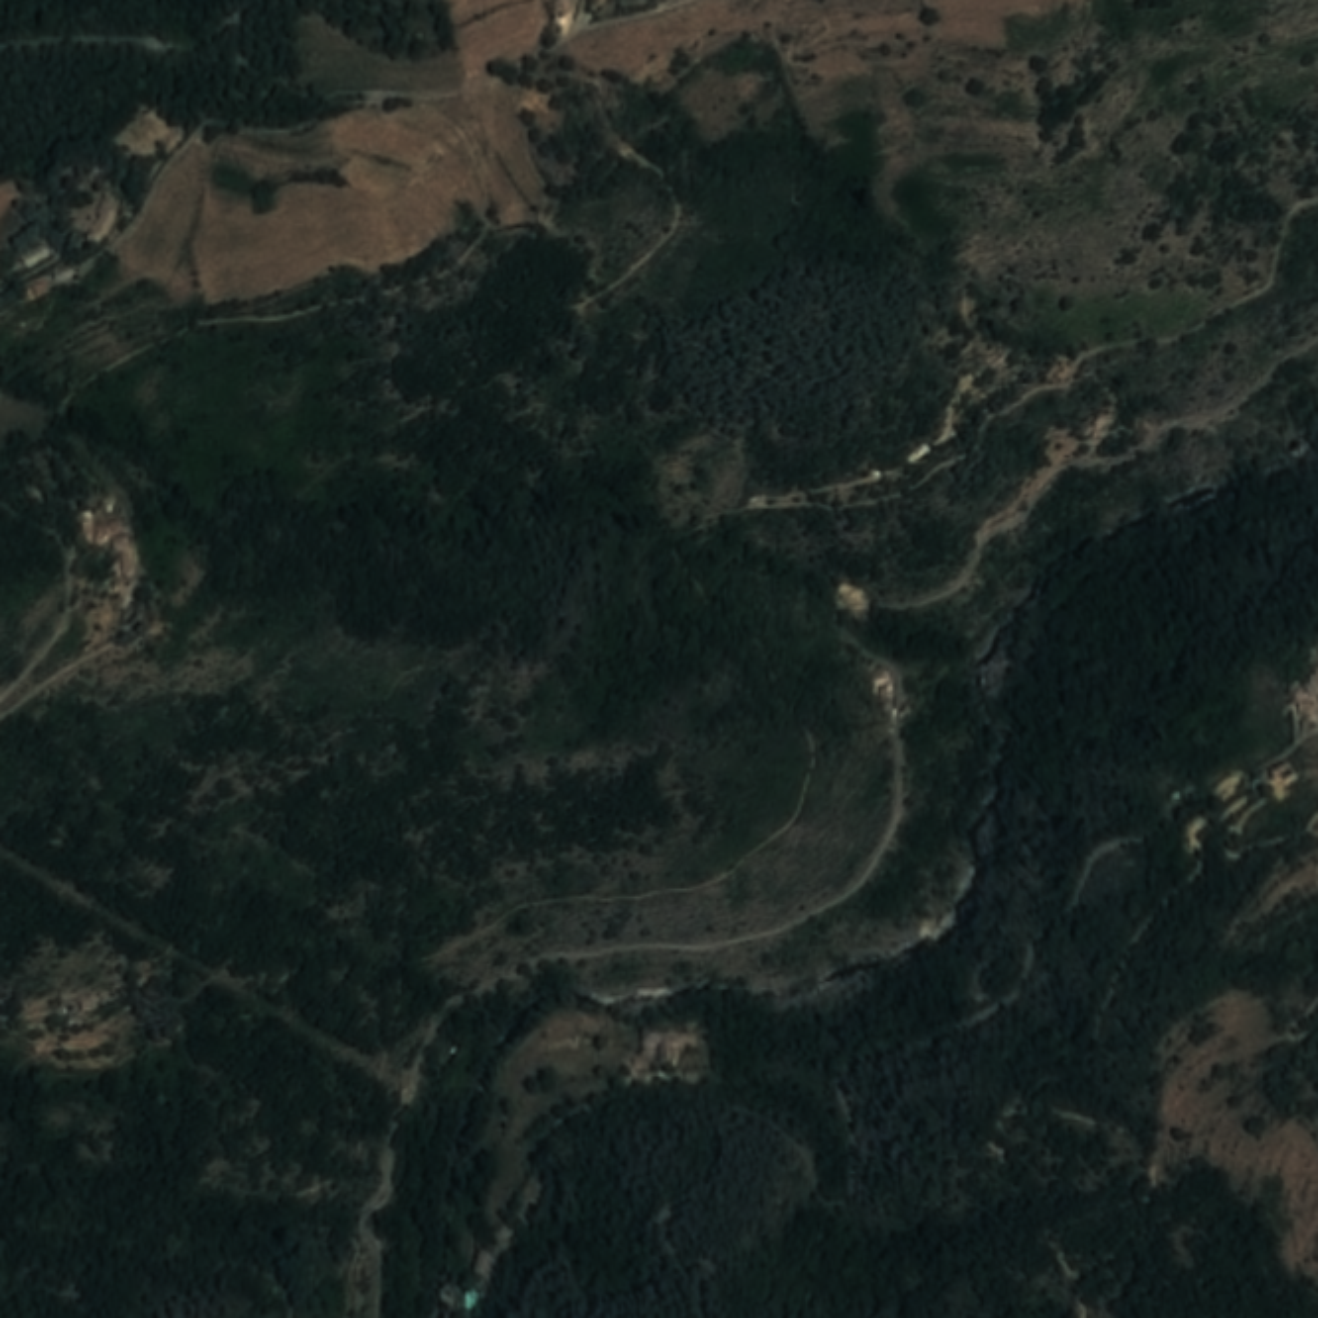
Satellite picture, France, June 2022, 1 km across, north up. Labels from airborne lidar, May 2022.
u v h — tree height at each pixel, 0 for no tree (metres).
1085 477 10
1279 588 11
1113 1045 6
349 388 8
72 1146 13
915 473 6
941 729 6
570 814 9
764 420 25
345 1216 16
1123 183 0
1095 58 5
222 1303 7
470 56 0
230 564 12
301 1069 14
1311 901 7
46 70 11
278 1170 15
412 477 9
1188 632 9
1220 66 0
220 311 9
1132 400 9
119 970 10
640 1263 17
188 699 7
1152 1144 11
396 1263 14
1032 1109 8
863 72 0
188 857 18
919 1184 8
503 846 8
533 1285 21
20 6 11
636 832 9
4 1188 22
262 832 11
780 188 0
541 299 11
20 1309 17
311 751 6
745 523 8
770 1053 11
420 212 0
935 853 6
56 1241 11
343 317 9
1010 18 0
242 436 0
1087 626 8
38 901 13
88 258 12
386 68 0
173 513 18
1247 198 11
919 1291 11
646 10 7
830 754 10
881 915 8
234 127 11
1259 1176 0
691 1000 17
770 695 8
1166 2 12
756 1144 17
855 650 13
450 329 9
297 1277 28
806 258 10
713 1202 14
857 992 8
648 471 8
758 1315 20
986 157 0
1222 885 9
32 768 9
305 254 0
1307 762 0
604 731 5
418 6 13
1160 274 7
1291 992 0
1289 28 0
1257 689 0
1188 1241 8
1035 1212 12
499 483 15
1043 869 9
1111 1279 7
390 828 10
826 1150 15
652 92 7
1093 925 8
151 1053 6
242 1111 8
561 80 8
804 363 25
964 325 9
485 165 0
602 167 10
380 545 12
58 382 11
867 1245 7
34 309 8
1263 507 14
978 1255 10
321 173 8
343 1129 15
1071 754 11
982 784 13
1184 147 15
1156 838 10
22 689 0
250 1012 5
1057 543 18
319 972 19
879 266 16
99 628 7
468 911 9
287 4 12
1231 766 0
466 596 16
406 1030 9
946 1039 13
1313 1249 0
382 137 0
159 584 9
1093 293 0
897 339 25
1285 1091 10
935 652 7
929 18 14
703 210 0
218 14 13
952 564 6
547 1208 10
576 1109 11
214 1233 11
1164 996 8
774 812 0
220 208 0
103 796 8
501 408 11
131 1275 12
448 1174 17
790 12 0
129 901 17
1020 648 14
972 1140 9
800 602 8
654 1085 12
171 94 9
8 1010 13
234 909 9
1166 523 10
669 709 10
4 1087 14
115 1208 15
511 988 11
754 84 0
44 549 8
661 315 13
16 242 15
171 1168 14
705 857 0
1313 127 7
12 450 10
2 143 10
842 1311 12
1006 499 12
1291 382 8
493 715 10
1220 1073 8
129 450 8
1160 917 7
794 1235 17
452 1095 14
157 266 0
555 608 17
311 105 11
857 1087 12
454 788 9
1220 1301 6
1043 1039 11
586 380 12
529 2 0
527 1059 0
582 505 14
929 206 0
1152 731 15
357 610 9
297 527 11
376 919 13
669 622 13
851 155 0
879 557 6
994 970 9
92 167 16
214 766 11
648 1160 10
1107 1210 10
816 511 9
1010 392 13
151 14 17
